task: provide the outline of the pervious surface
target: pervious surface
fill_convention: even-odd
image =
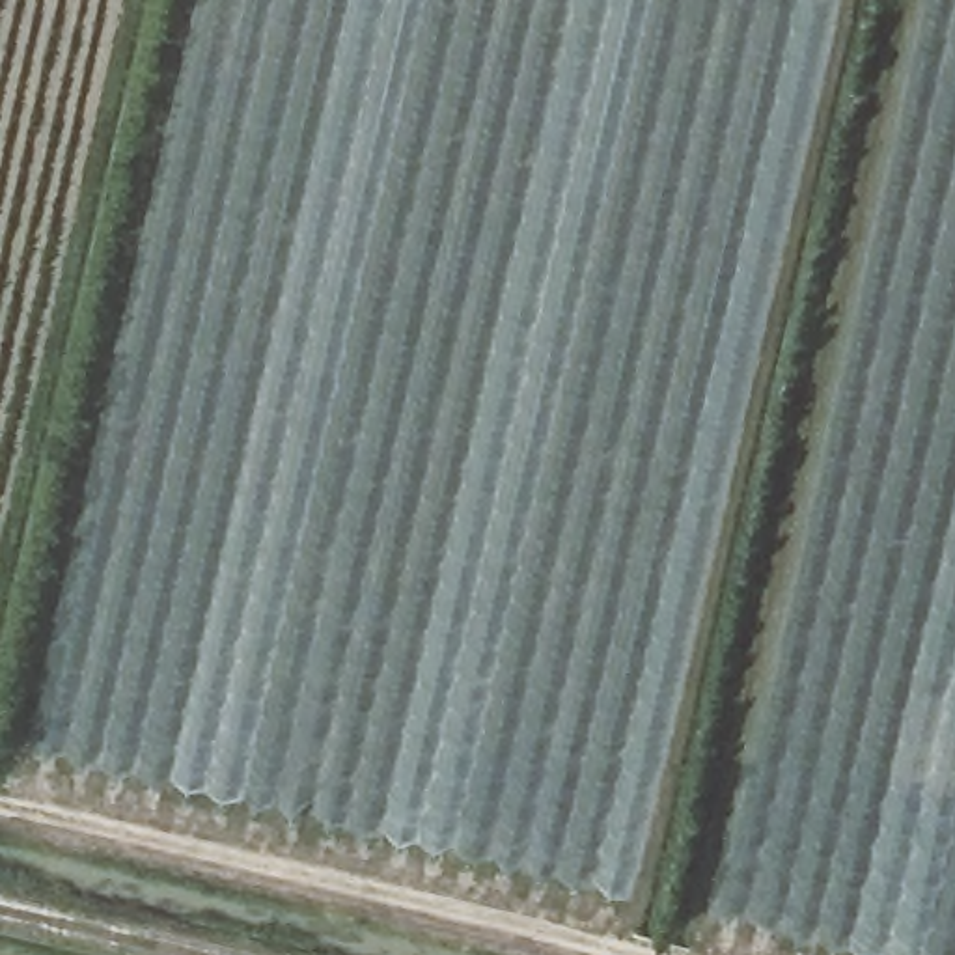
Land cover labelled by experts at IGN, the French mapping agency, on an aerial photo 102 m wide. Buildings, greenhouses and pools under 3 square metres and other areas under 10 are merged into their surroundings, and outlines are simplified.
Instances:
[[[108,839],[142,862],[175,858],[179,865],[205,877],[265,884],[284,895],[306,892],[317,888],[362,903],[384,903],[463,925],[496,929],[507,936],[530,936],[537,944],[552,944],[574,955],[664,955],[645,936],[597,936],[582,933],[578,925],[560,925],[552,918],[478,907],[436,892],[418,892],[407,884],[388,884],[377,877],[358,877],[298,858],[257,854],[231,843],[209,843],[78,810],[71,828],[82,836]]]

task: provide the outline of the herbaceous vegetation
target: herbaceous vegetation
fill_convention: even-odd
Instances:
[[[574,955],[552,944],[537,944],[530,936],[507,936],[496,929],[463,925],[384,903],[362,903],[317,888],[306,892],[321,899],[328,929],[246,921],[235,914],[175,910],[164,899],[145,903],[104,895],[97,888],[82,888],[71,877],[45,873],[45,858],[0,847],[0,955]]]

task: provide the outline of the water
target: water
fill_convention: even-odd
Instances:
[[[164,899],[175,910],[235,914],[239,903],[224,895],[201,895],[190,888],[138,880],[116,869],[45,858],[45,873],[71,877],[82,888],[97,888],[104,895],[145,903]]]

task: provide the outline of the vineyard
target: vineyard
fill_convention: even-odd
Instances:
[[[0,821],[71,828],[78,810],[0,795]]]
[[[30,407],[37,403],[45,351],[78,220],[82,175],[97,131],[116,30],[123,19],[119,0],[0,0],[0,541],[26,459]]]

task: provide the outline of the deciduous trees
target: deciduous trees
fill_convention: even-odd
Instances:
[[[664,955],[955,955],[955,0],[119,0],[123,19],[116,30],[97,131],[82,175],[78,220],[45,351],[37,403],[30,407],[26,459],[0,541],[0,795],[78,810],[209,843],[231,843],[257,854],[298,858],[358,877],[377,877],[388,884],[407,884],[418,892],[436,892],[478,907],[552,918],[560,925],[578,925],[582,933],[597,936],[645,936]]]
[[[0,847],[45,858],[116,869],[138,880],[190,888],[201,895],[224,895],[239,903],[235,914],[246,921],[328,929],[321,899],[306,892],[284,895],[265,884],[205,877],[179,865],[175,858],[142,862],[108,839],[82,836],[71,828],[0,821]]]

